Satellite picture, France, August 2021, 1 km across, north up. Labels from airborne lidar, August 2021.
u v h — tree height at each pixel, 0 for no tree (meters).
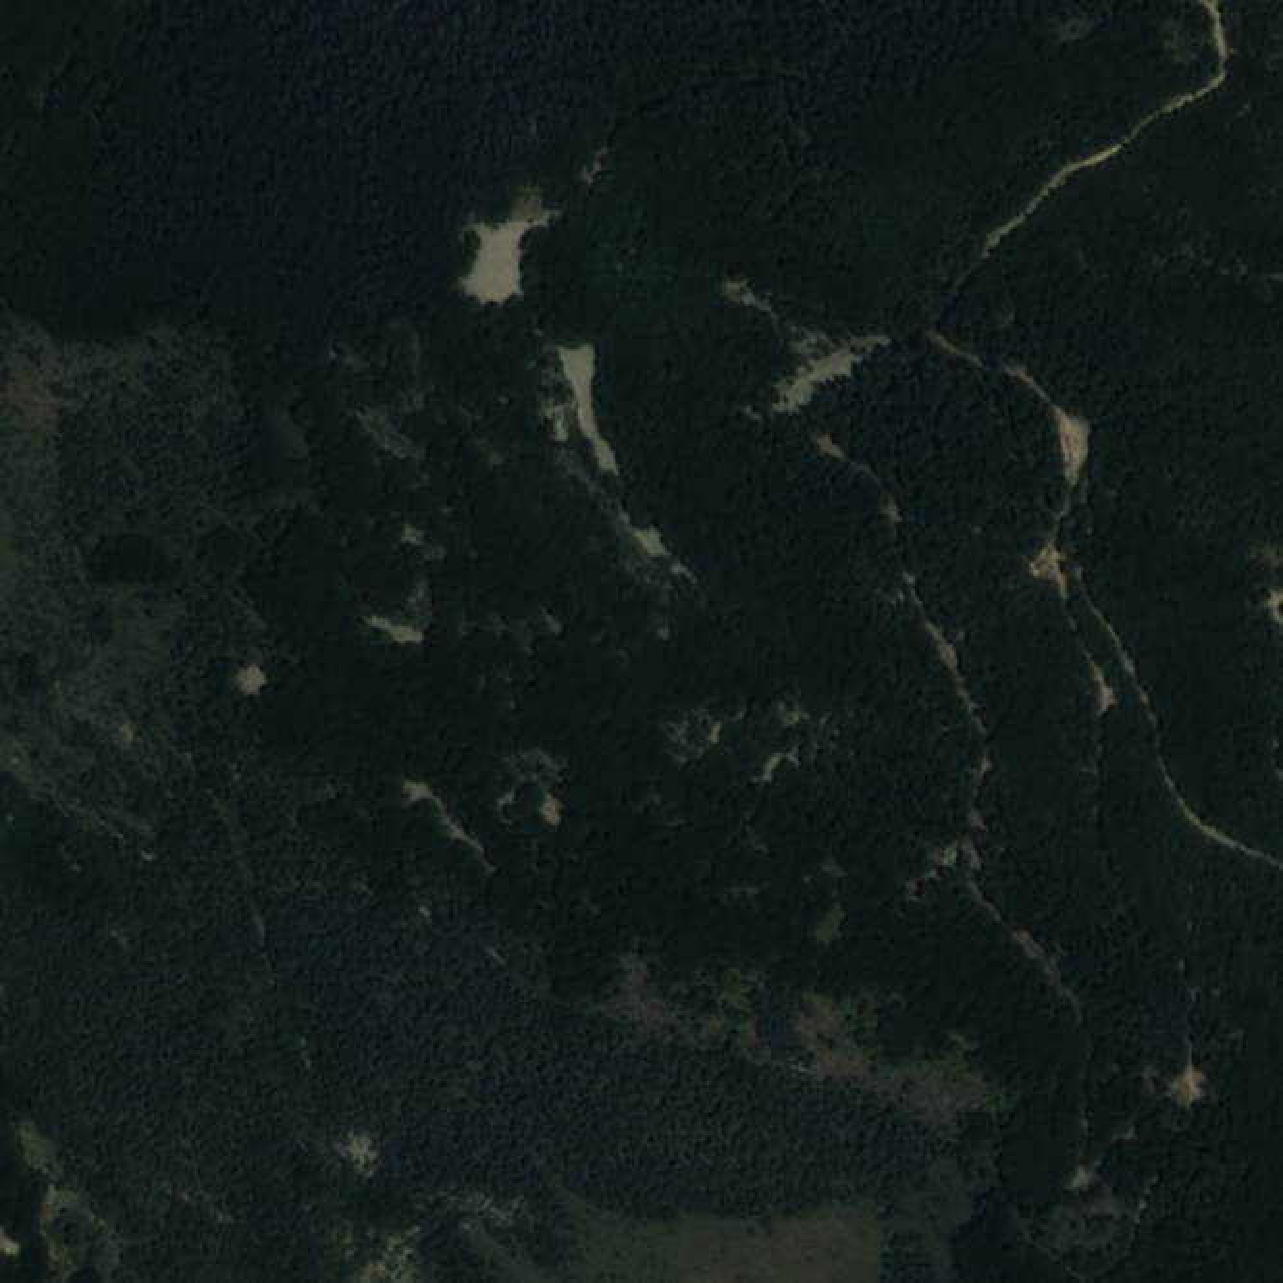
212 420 7
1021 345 27
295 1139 7
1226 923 11
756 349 20
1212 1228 19
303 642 15
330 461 15
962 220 8
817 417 22
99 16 17
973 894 17
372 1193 14
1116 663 11
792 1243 0
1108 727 16
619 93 17
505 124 13
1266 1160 11
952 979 19
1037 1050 19
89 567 6
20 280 16
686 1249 0
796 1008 12
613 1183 15
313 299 12
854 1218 0
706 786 14
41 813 11
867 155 23
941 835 12
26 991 6
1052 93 19
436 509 8
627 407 16
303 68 15
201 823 12
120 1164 9
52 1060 10
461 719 18
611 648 10
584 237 21
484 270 0
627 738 13
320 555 14
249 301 13
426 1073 10
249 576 9
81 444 7
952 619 19
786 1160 9
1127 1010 15
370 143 18
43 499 0
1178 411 21
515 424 12
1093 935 19
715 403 15
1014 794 16
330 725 17
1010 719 14
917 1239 7
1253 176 11
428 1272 6
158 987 14
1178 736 20
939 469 19
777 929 12
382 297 9
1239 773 17
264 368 12
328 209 15
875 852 14
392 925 10
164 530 7
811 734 9
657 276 19
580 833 16
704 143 17
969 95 24
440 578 14
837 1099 14
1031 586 12
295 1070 7
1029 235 14
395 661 15
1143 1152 19
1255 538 12
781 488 22
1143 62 14
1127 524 16
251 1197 6
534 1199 7
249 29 22
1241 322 25
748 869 10
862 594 19
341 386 12
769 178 19
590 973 16
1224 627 16
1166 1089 17
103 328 14
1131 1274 13
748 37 17
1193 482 15
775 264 22
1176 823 14
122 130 19
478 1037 11
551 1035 13
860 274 22
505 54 15
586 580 8
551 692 15
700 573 10
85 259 18
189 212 16
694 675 10
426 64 12
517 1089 14
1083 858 18
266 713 17
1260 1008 17
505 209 14
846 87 26
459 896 12
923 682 15
